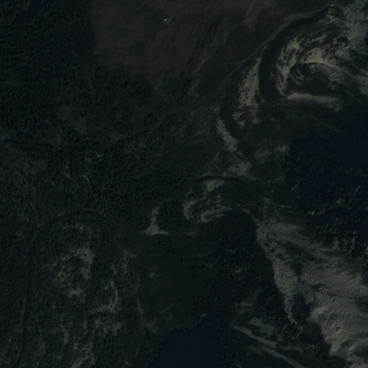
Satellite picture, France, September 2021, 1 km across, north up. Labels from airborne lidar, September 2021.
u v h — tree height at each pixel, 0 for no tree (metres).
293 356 0
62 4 7
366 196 0
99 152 12
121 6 0
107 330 0
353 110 0
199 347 5
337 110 0
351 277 0
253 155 0
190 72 0
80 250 0
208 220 0
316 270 0
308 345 10
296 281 0
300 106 0
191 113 0
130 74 0
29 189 0
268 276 0
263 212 0
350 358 0
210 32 0
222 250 9
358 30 0
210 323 7
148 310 0
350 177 0
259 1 0
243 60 0
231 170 0
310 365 0
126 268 0
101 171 15
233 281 11
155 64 0
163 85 0
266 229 0
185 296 0
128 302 0
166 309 0
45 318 7
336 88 0
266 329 0
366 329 0
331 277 0
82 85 8
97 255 0
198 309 7
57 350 7
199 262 0
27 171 0
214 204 0
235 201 0
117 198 16
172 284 0
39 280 0
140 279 0
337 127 0
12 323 7
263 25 0
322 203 8
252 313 0
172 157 0
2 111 14
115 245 0
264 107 0
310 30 0
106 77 11
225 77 0
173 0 0
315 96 0
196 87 0
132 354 0
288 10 0
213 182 0
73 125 0
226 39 0
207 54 0
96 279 6
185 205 0
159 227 8
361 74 0
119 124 8
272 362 0
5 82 11
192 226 8
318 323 0
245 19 0
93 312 0
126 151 0
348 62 0
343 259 0
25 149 7
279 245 0
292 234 0
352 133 0
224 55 0
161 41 0
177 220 10
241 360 0
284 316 9
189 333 0
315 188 14
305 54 0
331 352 0
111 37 0
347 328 0
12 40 6
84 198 12
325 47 0
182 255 0
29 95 9
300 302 0
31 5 6
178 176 7
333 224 0
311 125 0
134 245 0
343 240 8
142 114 0
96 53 0
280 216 0
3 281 6
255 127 0
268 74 0
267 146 0
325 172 0
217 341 8
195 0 0
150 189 12
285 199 0
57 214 8
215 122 0
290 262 0
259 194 0
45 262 10
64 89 10
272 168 0
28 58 6
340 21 0
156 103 0
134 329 0
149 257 0
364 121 0
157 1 0
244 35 0
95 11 0
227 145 0
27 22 21
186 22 0
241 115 0
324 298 0
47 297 7
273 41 0
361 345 0
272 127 0
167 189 9
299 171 0
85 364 6
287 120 0
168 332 0
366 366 0
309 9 0
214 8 0
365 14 0
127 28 0
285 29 0
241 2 0
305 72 0
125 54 0
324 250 0
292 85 0
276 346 0
